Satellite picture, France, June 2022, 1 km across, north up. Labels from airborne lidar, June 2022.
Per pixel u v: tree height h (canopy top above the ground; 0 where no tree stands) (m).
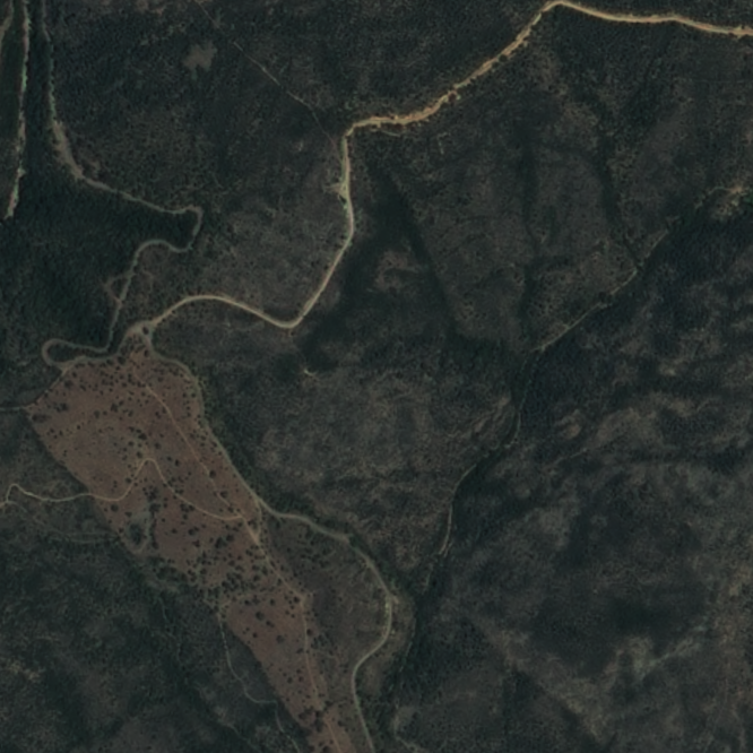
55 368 7
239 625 0
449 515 7
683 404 0
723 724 0
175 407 0
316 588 0
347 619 0
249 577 0
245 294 0
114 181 10
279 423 0
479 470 7
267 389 0
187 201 7
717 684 0
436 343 8
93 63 9
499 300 0
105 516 0
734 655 0
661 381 7
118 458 0
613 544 0
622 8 6
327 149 0
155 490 6
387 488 0
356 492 0
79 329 7
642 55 8
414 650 8
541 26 6
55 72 8
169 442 0
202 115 9
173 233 15
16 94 5
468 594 0
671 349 7
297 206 0
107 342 9
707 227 9
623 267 8
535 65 6
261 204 0
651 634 0
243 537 0
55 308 8
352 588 0
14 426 0
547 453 6
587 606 0
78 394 0
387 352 8
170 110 10
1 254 11
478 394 7
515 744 7
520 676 7
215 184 8
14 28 8
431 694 8
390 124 9
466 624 7
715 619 0
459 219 7
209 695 0
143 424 0
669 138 0
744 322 0
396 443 0
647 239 8
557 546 0
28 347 9
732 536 0
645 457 7
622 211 6
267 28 8
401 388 0
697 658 0
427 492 0
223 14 6
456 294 0
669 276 6
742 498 0
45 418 9
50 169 8
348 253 7
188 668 7
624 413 0
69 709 7
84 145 14
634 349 0
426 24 8
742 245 7
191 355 0
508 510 9
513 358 11
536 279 7
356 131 7
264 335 0
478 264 0
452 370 8
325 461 0
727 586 0
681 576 0
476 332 0
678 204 6
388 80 8
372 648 0
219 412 8
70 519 0
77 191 7
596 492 0
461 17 6
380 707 10
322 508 0
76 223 9
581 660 0
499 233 0
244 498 0
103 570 0
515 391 6
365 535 0
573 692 0
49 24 7
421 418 0
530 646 0
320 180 0
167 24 7
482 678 0
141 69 7
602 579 0
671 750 0
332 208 0
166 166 8
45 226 9
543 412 10
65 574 0
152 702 6
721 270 6
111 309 8
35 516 0
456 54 6
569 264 7
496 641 0
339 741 0
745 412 0
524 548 0
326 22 6
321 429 0
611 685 0
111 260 8
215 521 0
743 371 0
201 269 7
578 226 0
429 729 0
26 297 7
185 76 6
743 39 6
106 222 6
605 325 10
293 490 0
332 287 0
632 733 0
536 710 0
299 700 0
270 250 0
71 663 0
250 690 0
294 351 0
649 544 0
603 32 7
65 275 10
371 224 7
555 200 0
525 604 0
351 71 7
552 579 0
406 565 0
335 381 0
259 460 0
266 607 0
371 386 0
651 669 0
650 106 8
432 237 0
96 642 6
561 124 0
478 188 0
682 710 0
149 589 6
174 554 0
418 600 6
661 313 8
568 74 7
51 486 0
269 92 7
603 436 0
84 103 8
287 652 0
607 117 6
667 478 0
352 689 0
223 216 6
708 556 0
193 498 0
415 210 8
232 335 0
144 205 10
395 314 0
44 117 10
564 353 11
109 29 10
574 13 7
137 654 5
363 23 6
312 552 6
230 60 6
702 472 0
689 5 5
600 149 8
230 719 0
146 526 0
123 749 0
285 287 0
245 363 0
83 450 0
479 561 0
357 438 0
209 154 7
